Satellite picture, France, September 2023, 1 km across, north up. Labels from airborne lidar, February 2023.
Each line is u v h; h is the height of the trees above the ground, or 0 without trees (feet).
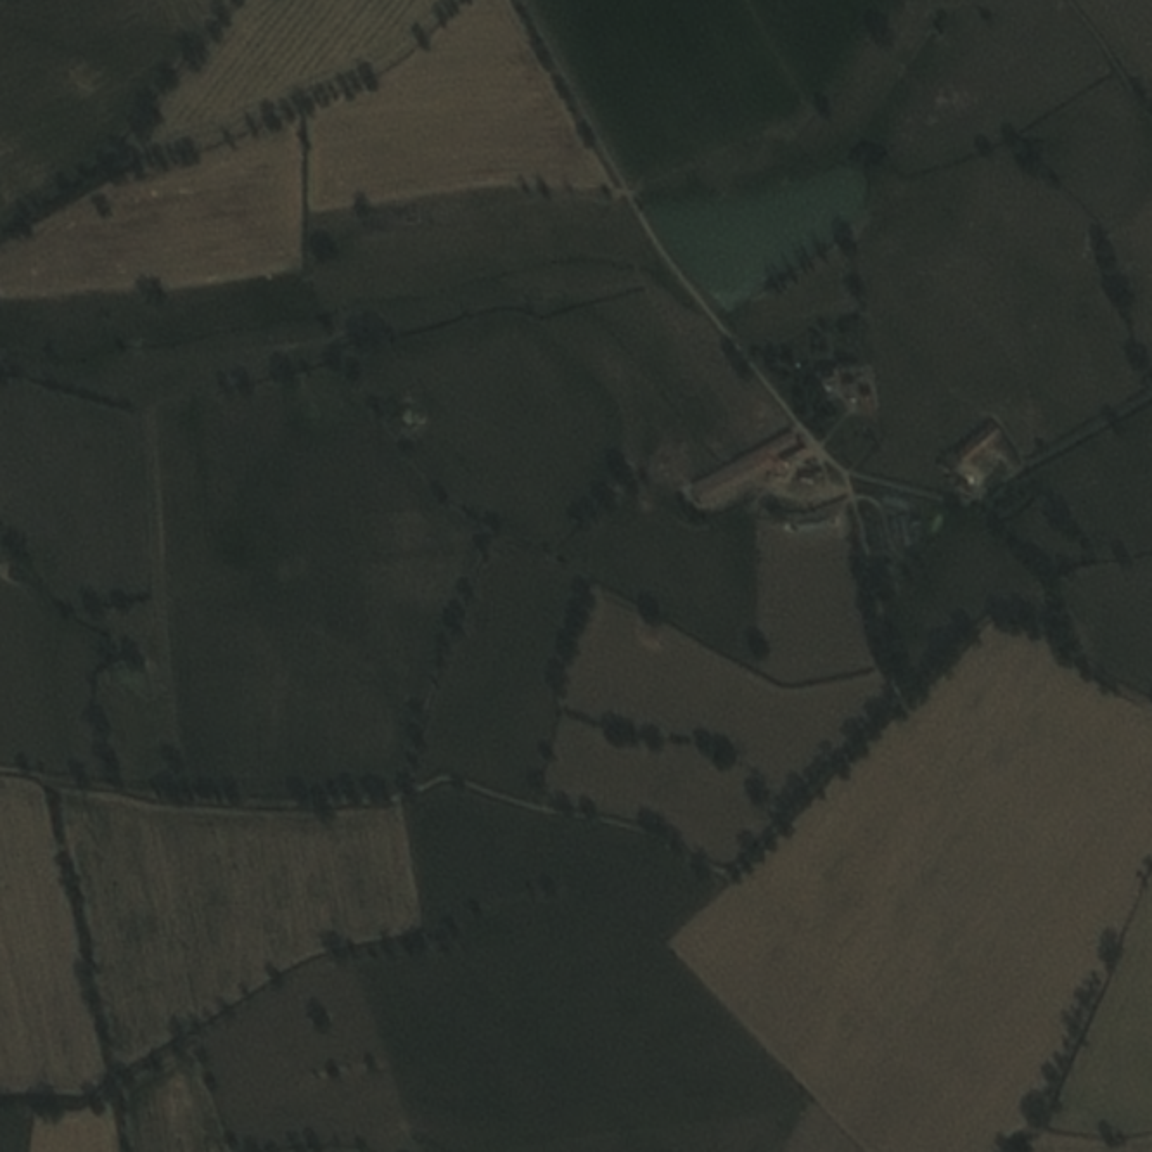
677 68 0
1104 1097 0
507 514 0
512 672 0
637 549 0
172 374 0
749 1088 0
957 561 0
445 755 0
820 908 0
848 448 0
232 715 0
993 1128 0
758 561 0
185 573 0
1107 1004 0
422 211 0
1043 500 37
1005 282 0
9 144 0
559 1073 0
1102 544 0
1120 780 0
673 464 0
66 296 0
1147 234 0
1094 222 0
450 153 0
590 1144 0
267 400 0
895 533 0
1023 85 0
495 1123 0
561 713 23
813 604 0
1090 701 0
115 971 0
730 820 0
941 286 0
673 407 0
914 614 0
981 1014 0
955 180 0
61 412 0
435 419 0
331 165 0
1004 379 0
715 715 0
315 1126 0
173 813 0
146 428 0
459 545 0
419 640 0
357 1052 0
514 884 0
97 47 0
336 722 0
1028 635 29
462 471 0
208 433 0
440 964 0
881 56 0
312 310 0
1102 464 0
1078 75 0
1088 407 0
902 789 0
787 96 0
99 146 0
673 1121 0
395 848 0
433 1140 0
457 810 0
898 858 0
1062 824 0
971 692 0
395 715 0
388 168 0
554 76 0
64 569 0
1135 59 0
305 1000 0
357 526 0
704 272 0
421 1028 0
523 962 0
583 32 0
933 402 0
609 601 0
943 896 0
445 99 0
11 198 0
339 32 0
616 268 0
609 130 0
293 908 0
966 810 0
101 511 0
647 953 0
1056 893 0
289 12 0
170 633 0
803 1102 0
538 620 0
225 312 0
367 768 0
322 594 0
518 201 0
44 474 0
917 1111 0
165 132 0
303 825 0
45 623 0
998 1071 0
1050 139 0
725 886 0
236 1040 0
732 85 0
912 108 0
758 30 0
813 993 0
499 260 0
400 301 0
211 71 0
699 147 0
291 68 0
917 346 0
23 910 0
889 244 0
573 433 0
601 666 0
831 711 0
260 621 0
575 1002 0
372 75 43
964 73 0
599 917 0
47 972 0
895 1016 0
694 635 0
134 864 0
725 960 0
